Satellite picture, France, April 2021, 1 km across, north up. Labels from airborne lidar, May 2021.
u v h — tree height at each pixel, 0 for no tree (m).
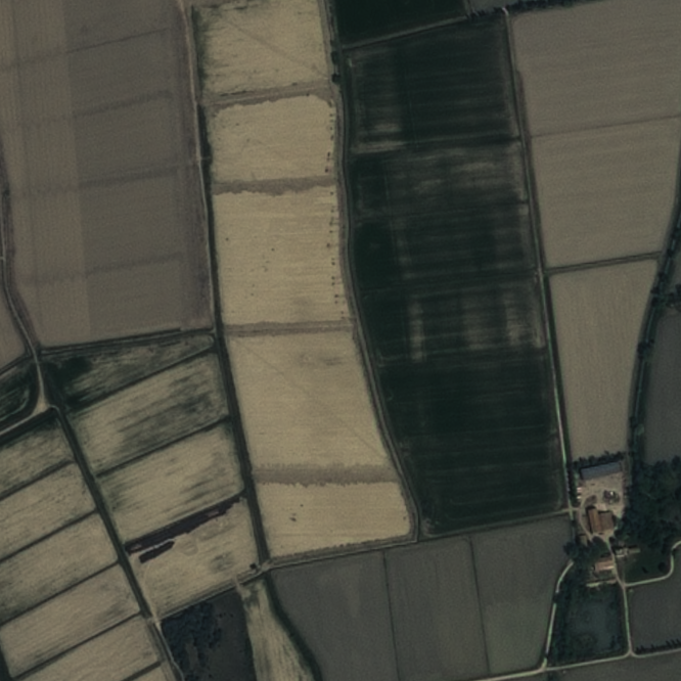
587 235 0
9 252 0
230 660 0
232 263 0
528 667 0
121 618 0
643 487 17
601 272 0
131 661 0
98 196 0
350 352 0
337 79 11
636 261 0
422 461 0
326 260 0
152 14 0
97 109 0
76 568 0
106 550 0
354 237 0
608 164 0
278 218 0
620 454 8
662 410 0
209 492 0
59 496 0
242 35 0
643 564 0
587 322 0
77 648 0
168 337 0
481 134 0
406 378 0
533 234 0
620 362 0
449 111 0
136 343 0
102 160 0
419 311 0
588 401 0
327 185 0
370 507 0
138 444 0
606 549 18
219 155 0
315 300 0
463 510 0
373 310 0
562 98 0
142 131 0
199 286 0
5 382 0
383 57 0
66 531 0
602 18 0
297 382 0
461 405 0
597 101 0
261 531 0
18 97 0
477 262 0
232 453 0
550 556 0
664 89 0
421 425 0
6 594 0
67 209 0
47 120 0
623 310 0
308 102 0
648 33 0
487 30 0
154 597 0
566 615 6
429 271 0
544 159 0
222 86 0
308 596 0
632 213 0
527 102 0
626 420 0
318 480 0
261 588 0
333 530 0
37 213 0
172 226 0
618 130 0
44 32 0
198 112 0
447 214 0
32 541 0
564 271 0
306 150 0
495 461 0
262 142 0
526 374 0
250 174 0
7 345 0
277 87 0
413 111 0
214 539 0
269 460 0
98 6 0
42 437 0
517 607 0
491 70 0
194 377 0
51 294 0
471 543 0
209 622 11
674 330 0
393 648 0
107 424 0
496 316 0
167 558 0
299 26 0
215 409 0
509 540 0
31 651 0
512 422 0
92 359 0
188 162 0
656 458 0
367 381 0
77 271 0
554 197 0
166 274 0
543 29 0
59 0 0
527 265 0
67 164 0
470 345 0
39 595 0
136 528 0
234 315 0
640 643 0
